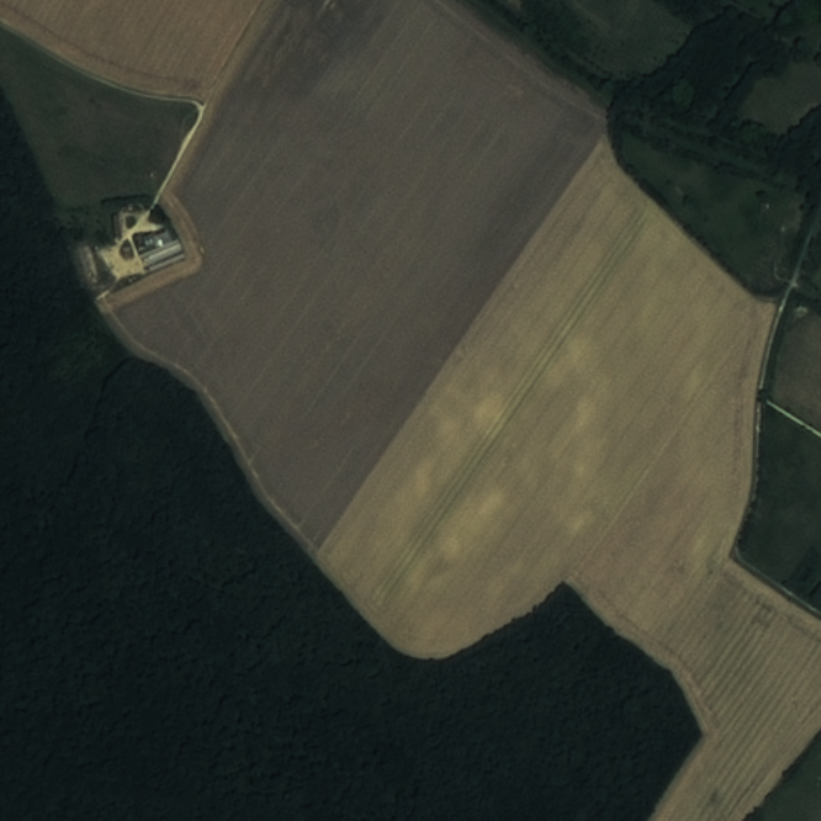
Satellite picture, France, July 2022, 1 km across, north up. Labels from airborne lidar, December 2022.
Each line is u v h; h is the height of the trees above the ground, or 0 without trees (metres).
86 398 9
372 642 10
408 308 0
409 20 0
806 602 12
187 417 18
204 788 12
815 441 0
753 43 18
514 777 18
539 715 20
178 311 0
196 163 0
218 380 0
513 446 0
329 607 22
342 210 0
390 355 0
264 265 0
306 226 0
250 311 0
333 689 19
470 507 0
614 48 0
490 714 14
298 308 0
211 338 0
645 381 0
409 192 0
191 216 0
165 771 11
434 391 0
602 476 0
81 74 0
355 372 0
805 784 0
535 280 0
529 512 0
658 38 0
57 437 8
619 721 19
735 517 0
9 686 16
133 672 18
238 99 0
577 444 0
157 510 22
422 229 0
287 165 0
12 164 16
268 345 0
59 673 15
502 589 0
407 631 0
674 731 12
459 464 0
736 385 0
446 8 0
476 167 0
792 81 0
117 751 19
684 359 0
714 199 0
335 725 21
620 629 0
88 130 0
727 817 0
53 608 8
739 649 0
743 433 0
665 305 0
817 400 0
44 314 21
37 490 15
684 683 0
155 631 15
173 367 0
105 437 20
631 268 0
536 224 0
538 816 17
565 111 0
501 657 20
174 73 0
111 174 0
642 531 0
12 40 0
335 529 0
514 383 0
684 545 0
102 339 7
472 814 18
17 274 18
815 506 0
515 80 0
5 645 12
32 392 10
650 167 0
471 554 0
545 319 0
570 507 0
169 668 19
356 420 0
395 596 0
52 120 0
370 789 17
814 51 9
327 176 0
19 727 14
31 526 22
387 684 20
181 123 0
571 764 19
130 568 16
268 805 18
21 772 19
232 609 24
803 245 7
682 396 0
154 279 0
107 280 0
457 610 0
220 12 0
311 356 0
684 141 0
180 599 11
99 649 10
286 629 21
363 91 0
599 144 0
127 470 21
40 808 20
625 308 0
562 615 17
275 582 22
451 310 0
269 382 0
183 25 0
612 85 21
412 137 0
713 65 16
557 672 20
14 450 7
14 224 20
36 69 0
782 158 18
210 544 20
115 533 18
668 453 0
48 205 14
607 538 0
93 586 22
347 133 0
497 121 0
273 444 0
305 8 0
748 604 0
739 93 20
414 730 20
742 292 0
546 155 0
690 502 0
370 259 0
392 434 0
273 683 21
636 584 0
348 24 0
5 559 16
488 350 0
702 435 0
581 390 0
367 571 0
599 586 0
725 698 0
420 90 0
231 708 21
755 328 0
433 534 0
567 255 0
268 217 0
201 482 20
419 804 16
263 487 0
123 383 18
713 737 0
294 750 17
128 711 14
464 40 0
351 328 0
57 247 18
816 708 0
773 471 0
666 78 19
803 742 0
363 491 0
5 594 17
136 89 0
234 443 0
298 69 0
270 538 19
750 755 0
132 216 0
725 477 0
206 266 0
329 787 22
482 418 0
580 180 0
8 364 20
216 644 22
